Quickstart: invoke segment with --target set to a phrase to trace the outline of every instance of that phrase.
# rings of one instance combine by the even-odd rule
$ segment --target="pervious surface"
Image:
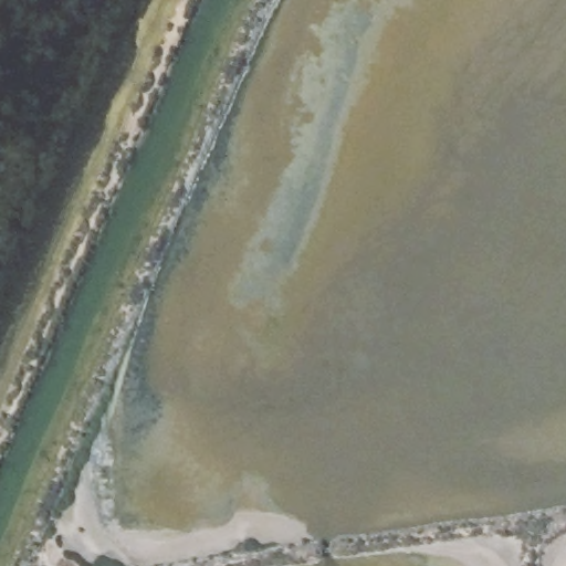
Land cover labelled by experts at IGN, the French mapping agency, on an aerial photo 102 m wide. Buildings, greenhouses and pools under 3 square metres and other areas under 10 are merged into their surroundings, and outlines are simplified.
[[[144,93],[142,106],[137,111],[130,111],[130,102],[137,99],[137,88],[146,80],[148,64],[153,60],[153,49],[161,46],[161,57],[159,66],[155,69],[155,77],[161,77],[168,71],[170,51],[179,42],[181,29],[186,24],[186,9],[190,0],[150,0],[146,13],[139,18],[137,24],[135,62],[111,104],[99,144],[93,148],[84,166],[82,186],[73,195],[66,210],[69,223],[64,226],[64,232],[53,241],[53,248],[49,252],[49,268],[40,279],[35,301],[27,316],[7,329],[0,347],[0,425],[11,429],[13,413],[18,411],[20,402],[29,391],[29,382],[35,374],[35,367],[31,367],[31,358],[27,356],[27,352],[35,347],[38,329],[38,323],[46,314],[46,310],[60,307],[69,285],[77,279],[77,265],[86,254],[88,241],[97,228],[102,210],[115,203],[113,190],[119,186],[122,159],[130,155],[130,148],[135,146],[135,135],[142,128],[139,122],[148,111],[150,97]]]
[[[546,546],[544,566],[566,566],[566,535]]]
[[[88,562],[93,562],[99,555],[106,555],[124,562],[126,566],[133,566],[166,564],[179,557],[203,557],[214,551],[226,551],[248,537],[259,542],[294,542],[303,539],[307,533],[303,522],[290,515],[261,511],[239,511],[226,526],[192,528],[188,533],[175,528],[139,531],[119,526],[113,513],[115,480],[102,478],[102,467],[113,464],[108,425],[117,418],[117,407],[122,405],[122,387],[128,365],[119,365],[113,400],[108,405],[106,416],[102,418],[99,436],[93,442],[91,458],[80,475],[75,502],[71,509],[62,513],[55,526],[64,542],[71,546],[71,551],[77,551]]]
[[[38,566],[57,566],[64,555],[60,553],[60,546],[55,542],[49,539],[38,555]]]
[[[464,566],[526,566],[531,557],[522,553],[522,539],[502,535],[480,535],[469,539],[363,551],[352,553],[354,559],[371,559],[400,553],[425,553],[453,557]]]

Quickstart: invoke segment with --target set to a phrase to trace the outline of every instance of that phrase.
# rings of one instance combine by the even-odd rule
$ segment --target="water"
[[[42,471],[51,462],[51,455],[57,451],[57,438],[69,425],[71,405],[86,376],[86,367],[93,360],[95,347],[106,329],[108,316],[115,307],[119,307],[117,294],[124,287],[124,279],[133,268],[142,241],[148,237],[148,226],[157,212],[164,190],[172,181],[175,168],[179,168],[186,139],[192,130],[192,119],[206,104],[206,93],[214,80],[217,62],[221,57],[223,46],[228,46],[230,42],[230,33],[239,18],[239,7],[243,0],[190,0],[186,9],[186,24],[181,29],[179,42],[170,51],[168,71],[161,77],[161,91],[150,97],[148,111],[139,122],[142,128],[135,135],[135,146],[130,148],[130,155],[122,159],[119,186],[113,190],[115,203],[102,210],[97,228],[88,241],[86,254],[77,265],[77,279],[69,285],[60,307],[62,323],[53,325],[51,336],[44,338],[38,329],[35,347],[27,352],[27,356],[31,358],[31,367],[35,367],[35,374],[29,382],[29,391],[20,402],[18,411],[13,413],[11,429],[0,425],[0,566],[4,566],[9,553],[13,551],[13,537],[18,535],[18,528],[27,515],[27,506],[38,489]]]
[[[0,347],[7,329],[27,316],[35,301],[40,279],[49,268],[49,252],[53,248],[53,241],[64,232],[64,226],[69,223],[66,210],[73,195],[82,186],[84,166],[93,148],[99,144],[111,104],[135,62],[137,24],[139,18],[146,13],[150,0],[0,0]]]
[[[159,268],[159,274],[155,276],[155,285],[148,292],[148,307],[144,312],[142,325],[133,325],[137,334],[128,365],[122,387],[122,405],[117,407],[117,418],[108,425],[113,464],[102,467],[102,478],[115,480],[113,513],[119,526],[139,531],[175,528],[188,533],[192,528],[226,526],[239,511],[261,511],[290,515],[303,522],[307,533],[312,533],[321,542],[316,566],[464,566],[453,557],[425,553],[400,553],[371,559],[354,559],[336,562],[332,557],[329,542],[338,535],[400,531],[429,526],[436,522],[500,517],[535,509],[566,506],[566,0],[279,0],[276,11],[281,11],[281,15],[274,24],[265,53],[256,69],[250,69],[248,77],[237,88],[232,111],[228,113],[221,130],[217,130],[214,148],[206,166],[199,168],[195,177],[192,199],[179,212],[177,223],[172,228],[166,228],[161,239],[150,250],[148,261],[153,268]]]

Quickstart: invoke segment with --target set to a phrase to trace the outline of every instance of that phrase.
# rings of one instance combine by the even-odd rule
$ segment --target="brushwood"
[[[259,542],[248,537],[226,551],[214,551],[203,557],[179,557],[166,564],[133,566],[316,566],[321,542],[312,533],[307,533],[303,539],[294,542]]]
[[[363,551],[469,539],[480,535],[502,535],[522,539],[522,553],[531,557],[526,566],[544,566],[546,546],[566,535],[566,506],[535,509],[500,517],[436,522],[429,526],[400,531],[338,535],[329,542],[332,557],[336,562],[354,559],[352,553]]]
[[[137,99],[130,102],[130,111],[137,111],[142,106],[144,93],[150,97],[161,91],[161,77],[155,77],[155,69],[159,66],[161,57],[161,46],[153,49],[153,60],[148,64],[146,80],[137,88]]]
[[[115,307],[108,316],[106,329],[95,347],[93,360],[86,367],[86,376],[71,405],[69,425],[57,438],[57,451],[51,455],[51,462],[42,471],[38,489],[27,506],[27,515],[18,528],[18,535],[13,537],[13,551],[9,553],[4,566],[38,566],[38,555],[49,539],[55,542],[60,546],[60,553],[64,555],[57,566],[126,566],[124,562],[106,555],[99,555],[93,562],[88,562],[77,551],[71,551],[71,546],[64,542],[55,526],[62,513],[71,509],[75,502],[80,475],[91,458],[93,442],[99,436],[102,418],[106,416],[108,405],[113,400],[119,365],[128,365],[137,334],[133,325],[142,325],[144,312],[148,307],[148,292],[155,285],[155,276],[159,274],[159,268],[153,268],[148,261],[150,250],[161,239],[166,228],[172,228],[177,223],[179,212],[192,199],[195,177],[199,168],[206,166],[214,148],[217,130],[221,130],[228,113],[232,111],[237,88],[248,77],[250,69],[256,69],[265,53],[274,24],[281,15],[281,11],[276,11],[279,0],[243,0],[239,7],[239,18],[230,33],[230,42],[228,46],[223,46],[221,57],[217,62],[214,80],[206,93],[206,104],[192,119],[192,130],[186,139],[179,168],[175,168],[172,181],[164,190],[157,212],[148,226],[148,237],[142,241],[133,268],[124,279],[124,287],[117,294],[119,307]]]
[[[60,307],[46,310],[46,314],[38,323],[38,329],[44,338],[51,336],[53,325],[62,323]]]

